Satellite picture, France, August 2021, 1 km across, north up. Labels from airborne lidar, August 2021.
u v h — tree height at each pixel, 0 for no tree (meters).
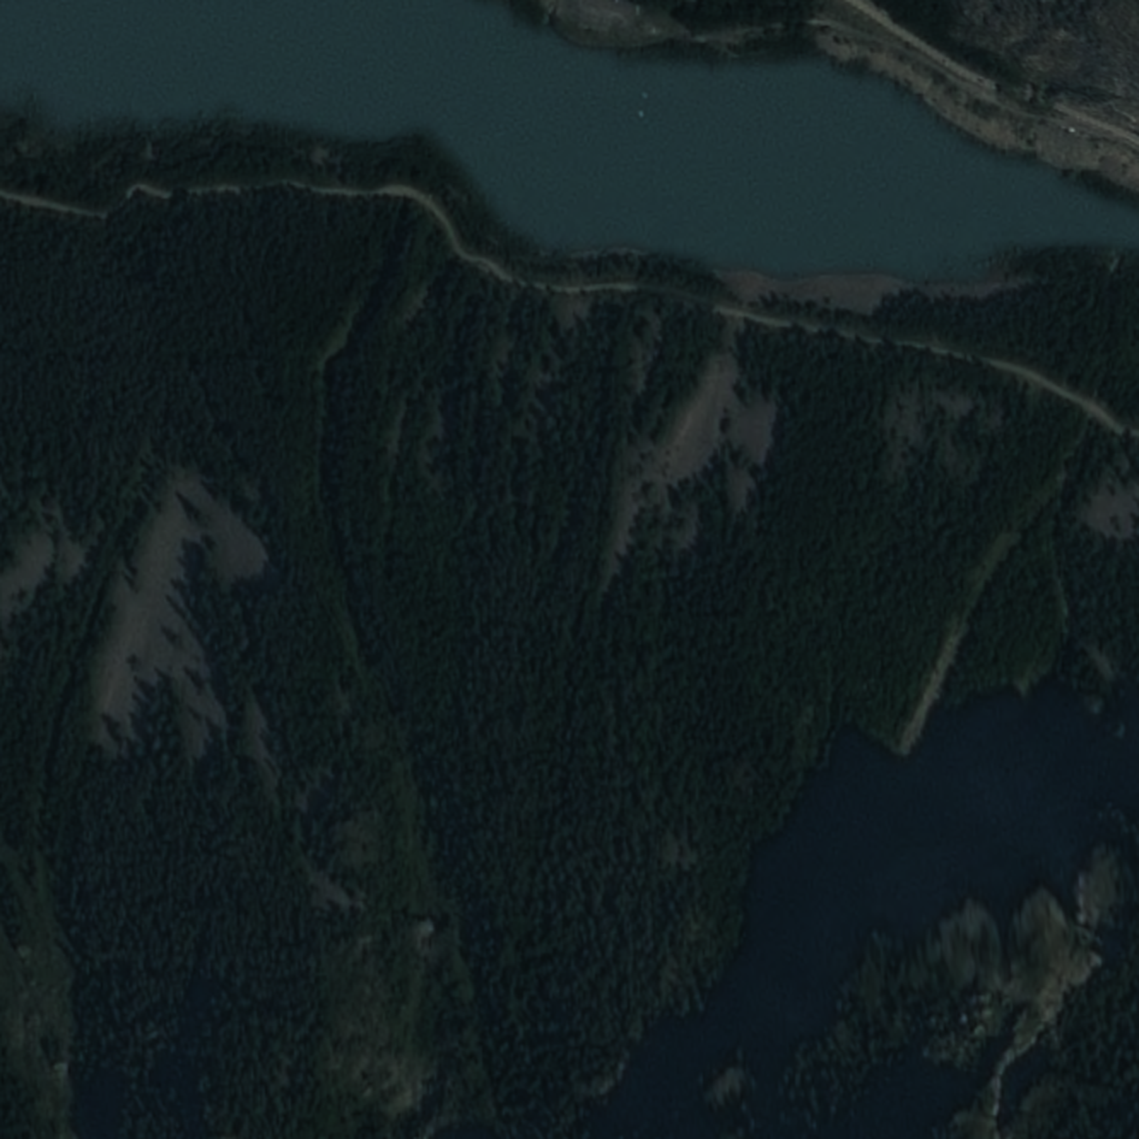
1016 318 17
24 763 14
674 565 11
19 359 22
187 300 21
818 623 7
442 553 10
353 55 0
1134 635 13
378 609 14
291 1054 26
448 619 13
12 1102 7
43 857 15
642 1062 9
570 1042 8
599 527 20
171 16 0
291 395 16
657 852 21
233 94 0
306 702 9
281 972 16
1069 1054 7
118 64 0
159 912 29
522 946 10
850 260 0
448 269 9
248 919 24
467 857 12
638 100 0
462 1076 6
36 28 0
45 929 0
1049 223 0
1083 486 8
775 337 11
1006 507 11
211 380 24
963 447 13
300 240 24
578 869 24
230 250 30
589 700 10
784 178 0
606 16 0
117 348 23
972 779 0
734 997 6
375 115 0
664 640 9
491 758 7
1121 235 0
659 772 10
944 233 0
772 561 12
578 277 11
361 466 11
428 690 9
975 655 10
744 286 0
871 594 7
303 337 16
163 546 0
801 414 20
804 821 9
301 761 11
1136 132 0
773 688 17
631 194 0
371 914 9
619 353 14
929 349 0
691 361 6
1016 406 15
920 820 0
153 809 23
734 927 13
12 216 14
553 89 0
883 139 0
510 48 0
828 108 0
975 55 8
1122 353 9
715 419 0
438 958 0
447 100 0
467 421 16
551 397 11
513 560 13
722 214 0
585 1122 14
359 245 13
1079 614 7
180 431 26
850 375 13
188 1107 7
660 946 7
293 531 18
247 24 0
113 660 0
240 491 15
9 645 7
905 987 13
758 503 12
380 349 15
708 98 0
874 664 10
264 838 11
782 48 10
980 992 6
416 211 11
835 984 11
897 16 8
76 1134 0
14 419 24
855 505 17
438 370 13
